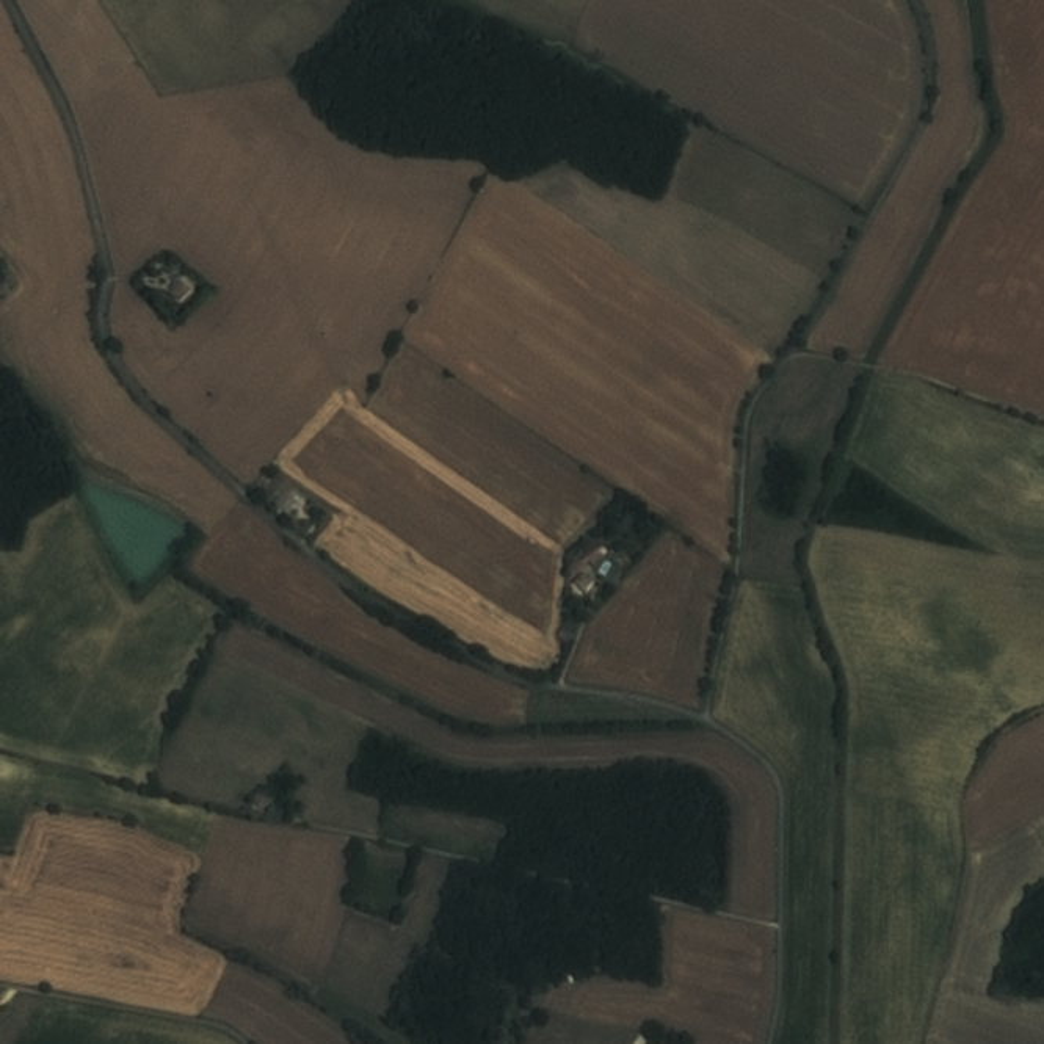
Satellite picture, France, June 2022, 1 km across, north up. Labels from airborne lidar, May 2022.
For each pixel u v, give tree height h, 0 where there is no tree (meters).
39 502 19
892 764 0
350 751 0
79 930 0
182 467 0
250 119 0
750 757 0
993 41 0
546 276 0
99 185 0
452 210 0
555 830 19
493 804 17
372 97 23
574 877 16
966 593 0
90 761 0
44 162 0
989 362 0
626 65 0
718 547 0
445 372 6
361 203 0
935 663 0
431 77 24
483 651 14
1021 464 0
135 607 0
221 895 0
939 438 0
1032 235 0
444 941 20
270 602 0
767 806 0
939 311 0
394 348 15
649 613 0
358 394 0
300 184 0
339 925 0
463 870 15
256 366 0
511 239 0
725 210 0
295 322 0
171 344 0
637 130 18
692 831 17
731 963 0
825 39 0
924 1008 0
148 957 0
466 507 0
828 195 0
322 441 0
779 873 0
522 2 0
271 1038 0
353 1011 0
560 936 20
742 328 0
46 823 0
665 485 0
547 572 0
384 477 0
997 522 0
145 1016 0
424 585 0
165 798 8
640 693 0
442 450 0
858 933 0
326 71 17
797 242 0
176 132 0
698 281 0
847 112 0
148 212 0
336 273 0
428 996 19
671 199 0
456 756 0
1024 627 0
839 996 0
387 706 0
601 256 0
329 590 0
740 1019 0
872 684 0
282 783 15
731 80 0
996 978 9
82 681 0
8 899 0
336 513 0
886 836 0
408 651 0
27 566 0
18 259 0
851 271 0
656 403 0
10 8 0
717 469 0
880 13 0
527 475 0
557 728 11
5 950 0
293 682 0
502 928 18
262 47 0
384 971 0
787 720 0
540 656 0
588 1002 0
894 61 0
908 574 0
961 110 0
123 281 0
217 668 0
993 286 0
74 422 0
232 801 0
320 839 0
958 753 0
